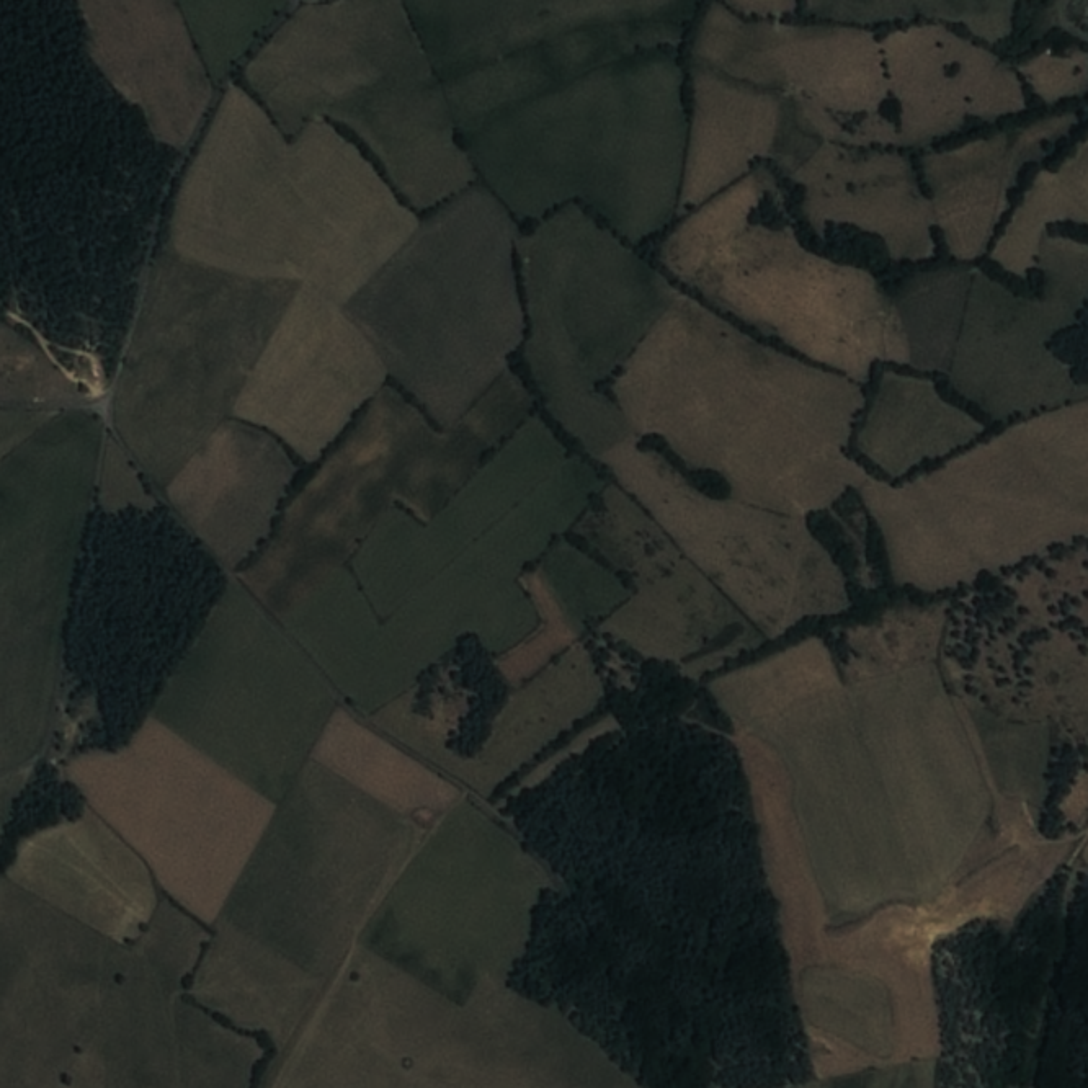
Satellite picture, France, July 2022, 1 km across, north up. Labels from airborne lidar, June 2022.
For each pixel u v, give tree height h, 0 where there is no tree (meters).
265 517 0
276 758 0
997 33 0
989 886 0
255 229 0
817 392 0
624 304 0
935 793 0
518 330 0
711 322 0
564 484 0
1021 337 0
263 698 0
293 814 0
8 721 0
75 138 21
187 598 18
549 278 0
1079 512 0
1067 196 0
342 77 0
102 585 20
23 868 0
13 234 24
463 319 0
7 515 0
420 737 0
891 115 15
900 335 0
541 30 0
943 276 0
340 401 0
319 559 0
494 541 0
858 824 0
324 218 0
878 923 0
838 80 0
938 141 7
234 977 0
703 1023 12
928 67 0
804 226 10
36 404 0
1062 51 13
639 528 0
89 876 0
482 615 0
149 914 0
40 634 0
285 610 0
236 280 0
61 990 0
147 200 12
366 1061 0
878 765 0
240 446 0
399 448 0
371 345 0
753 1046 13
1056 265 0
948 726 0
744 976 17
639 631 0
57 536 0
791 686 0
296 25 0
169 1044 0
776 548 0
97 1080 0
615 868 16
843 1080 0
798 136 0
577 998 14
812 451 0
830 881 0
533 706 0
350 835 0
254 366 0
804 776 0
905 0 0
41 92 26
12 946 0
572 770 12
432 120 0
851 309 0
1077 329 11
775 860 0
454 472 0
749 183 0
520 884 0
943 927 0
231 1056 0
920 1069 0
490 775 0
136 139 17
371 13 0
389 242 0
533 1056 0
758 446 0
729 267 0
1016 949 16
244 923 0
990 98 0
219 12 0
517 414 0
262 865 0
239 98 0
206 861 0
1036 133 0
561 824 18
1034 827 0
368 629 0
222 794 0
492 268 0
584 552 12
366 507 0
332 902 0
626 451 0
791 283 0
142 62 0
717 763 16
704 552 0
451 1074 0
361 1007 0
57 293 14
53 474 0
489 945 0
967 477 0
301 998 0
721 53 0
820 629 13
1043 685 0
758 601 0
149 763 0
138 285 8
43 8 16
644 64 0
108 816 0
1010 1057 15
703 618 0
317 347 0
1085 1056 21
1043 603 0
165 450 0
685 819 12
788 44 0
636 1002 16
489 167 0
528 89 0
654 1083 10
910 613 0
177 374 0
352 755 0
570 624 0
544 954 14
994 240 8
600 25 0
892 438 0
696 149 0
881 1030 0
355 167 0
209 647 0
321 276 0
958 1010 8
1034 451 0
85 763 0
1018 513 0
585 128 0
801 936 0
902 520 0
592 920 18
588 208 15
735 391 0
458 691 0
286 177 0
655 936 18
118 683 21
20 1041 0
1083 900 17
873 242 24
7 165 15
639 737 10
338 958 0
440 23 0
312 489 0
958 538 0
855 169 0
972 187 0
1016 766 0
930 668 0
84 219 15
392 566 0
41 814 12
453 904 0
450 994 0
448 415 0
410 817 0
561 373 0
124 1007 0
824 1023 0
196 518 0
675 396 0
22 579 0
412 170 0
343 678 0
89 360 0
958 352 0
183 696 0
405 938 0
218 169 0
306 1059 0
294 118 0
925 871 0
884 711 0
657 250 8
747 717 0
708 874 15
